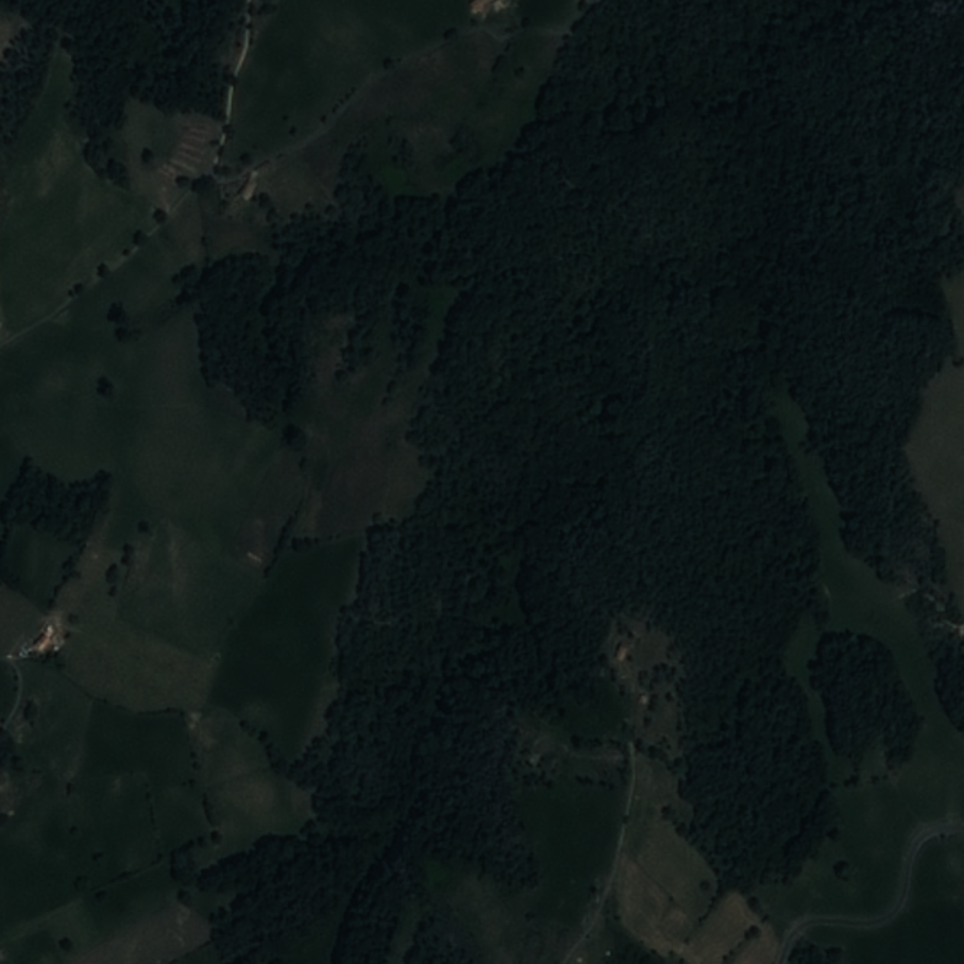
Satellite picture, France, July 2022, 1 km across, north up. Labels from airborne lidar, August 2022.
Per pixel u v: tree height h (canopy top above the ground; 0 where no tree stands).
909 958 0
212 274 20
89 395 0
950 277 13
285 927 12
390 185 0
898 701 17
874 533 6
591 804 0
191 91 18
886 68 22
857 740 12
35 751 0
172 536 0
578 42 8
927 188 8
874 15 26
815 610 18
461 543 17
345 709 12
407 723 19
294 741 0
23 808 0
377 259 25
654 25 21
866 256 15
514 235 15
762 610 9
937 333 28
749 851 12
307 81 0
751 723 23
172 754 0
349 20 0
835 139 20
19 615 0
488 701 17
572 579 14
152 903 0
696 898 0
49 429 0
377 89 0
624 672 0
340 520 0
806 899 0
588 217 21
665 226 17
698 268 23
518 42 0
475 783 19
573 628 16
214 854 0
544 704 13
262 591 0
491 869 15
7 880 0
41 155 0
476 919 0
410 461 0
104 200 0
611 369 27
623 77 17
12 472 0
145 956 0
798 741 19
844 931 0
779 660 10
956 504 0
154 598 0
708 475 15
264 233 0
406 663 9
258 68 0
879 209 17
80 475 0
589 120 24
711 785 25
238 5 11
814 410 14
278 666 0
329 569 0
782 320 23
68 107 9
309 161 0
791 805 15
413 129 0
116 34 22
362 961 17
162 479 0
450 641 24
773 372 11
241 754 0
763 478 16
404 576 11
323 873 20
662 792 0
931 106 9
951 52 16
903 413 12
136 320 0
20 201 0
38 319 0
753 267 23
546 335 23
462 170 0
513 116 0
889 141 17
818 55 16
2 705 0
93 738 0
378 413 0
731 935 0
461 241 20
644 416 15
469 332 15
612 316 26
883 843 0
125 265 0
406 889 15
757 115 23
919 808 0
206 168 0
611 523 18
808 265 10
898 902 0
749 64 12
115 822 0
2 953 0
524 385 22
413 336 16
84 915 0
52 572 0
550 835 0
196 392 0
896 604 0
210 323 13
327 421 0
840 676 19
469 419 15
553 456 19
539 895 0
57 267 0
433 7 0
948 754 0
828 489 0
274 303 21
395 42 0
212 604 0
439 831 19
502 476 22
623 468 17
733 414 24
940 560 10
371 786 19
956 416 0
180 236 0
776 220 19
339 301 16
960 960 0
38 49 11
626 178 21
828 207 20
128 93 14
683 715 15
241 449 0
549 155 18
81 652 0
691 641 15
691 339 18
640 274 27
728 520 17
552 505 31
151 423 0
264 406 15
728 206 16
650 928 0
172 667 0
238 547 0
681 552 15
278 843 20
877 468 15
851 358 13
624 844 0
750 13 20
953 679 14
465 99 0
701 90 18
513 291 14
